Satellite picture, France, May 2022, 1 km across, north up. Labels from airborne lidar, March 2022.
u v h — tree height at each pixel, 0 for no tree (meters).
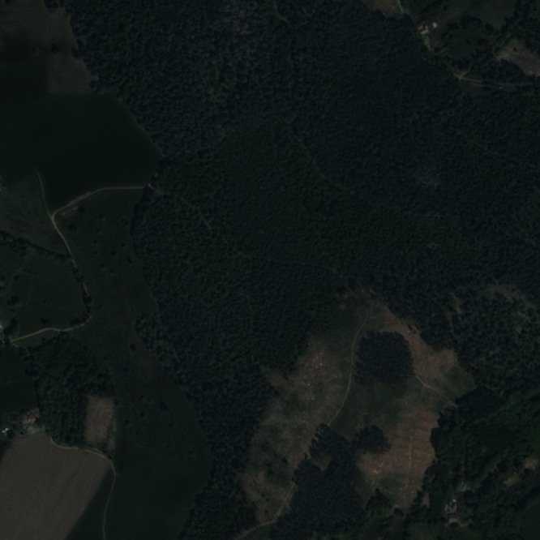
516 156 12
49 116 0
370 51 29
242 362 6
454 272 7
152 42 14
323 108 25
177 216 9
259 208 10
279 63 16
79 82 0
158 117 16
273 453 0
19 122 0
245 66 26
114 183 0
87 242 0
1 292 15
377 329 0
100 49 24
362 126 20
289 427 0
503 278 17
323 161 15
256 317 7
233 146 9
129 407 0
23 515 0
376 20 24
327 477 23
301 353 23
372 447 26
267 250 9
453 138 18
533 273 27
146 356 0
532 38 10
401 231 10
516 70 20
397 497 0
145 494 0
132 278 0
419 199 20
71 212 0
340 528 20
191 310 8
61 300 0
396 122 23
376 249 10
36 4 0
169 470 0
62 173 0
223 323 8
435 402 0
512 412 18
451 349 9
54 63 0
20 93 0
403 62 20
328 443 25
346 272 8
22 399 0
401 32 19
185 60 28
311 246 10
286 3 15
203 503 25
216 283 10
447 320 7
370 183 18
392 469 0
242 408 23
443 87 21
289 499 0
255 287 9
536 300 14
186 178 11
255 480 0
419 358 0
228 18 24
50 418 18
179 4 27
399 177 20
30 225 0
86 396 19
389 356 29
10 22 0
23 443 0
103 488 0
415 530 0
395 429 0
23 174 0
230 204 12
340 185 8
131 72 22
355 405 0
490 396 22
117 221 0
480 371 10
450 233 8
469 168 13
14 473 0
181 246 7
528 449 21
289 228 10
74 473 0
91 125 0
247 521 15
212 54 23
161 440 0
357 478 25
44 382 18
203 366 10
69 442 22
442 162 16
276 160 10
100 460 0
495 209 8
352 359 0
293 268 10
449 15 0
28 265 0
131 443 0
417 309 25
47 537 0
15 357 0
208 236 13
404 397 0
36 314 0
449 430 27
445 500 8
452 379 0
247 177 10
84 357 12
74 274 6
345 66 25
